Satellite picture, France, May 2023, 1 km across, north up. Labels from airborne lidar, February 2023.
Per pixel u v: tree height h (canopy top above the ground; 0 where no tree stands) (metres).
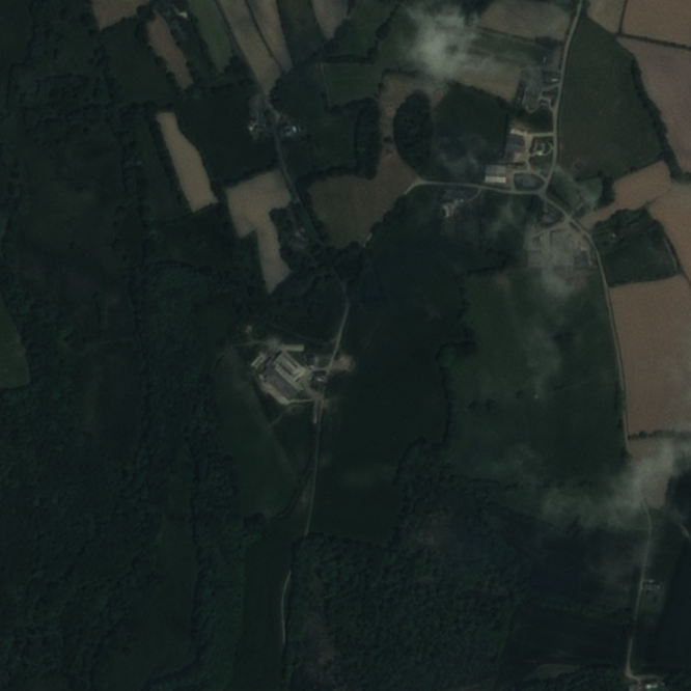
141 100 0
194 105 0
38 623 18
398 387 0
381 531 0
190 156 0
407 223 0
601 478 0
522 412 0
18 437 18
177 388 18
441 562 16
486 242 8
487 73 0
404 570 23
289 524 0
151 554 18
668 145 6
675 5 0
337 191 0
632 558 0
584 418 0
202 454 14
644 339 0
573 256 0
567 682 14
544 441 0
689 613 0
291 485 0
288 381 0
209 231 0
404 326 0
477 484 11
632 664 0
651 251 0
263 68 0
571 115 0
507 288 0
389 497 0
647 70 0
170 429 20
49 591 19
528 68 0
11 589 24
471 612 12
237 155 0
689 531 0
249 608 0
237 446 0
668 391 0
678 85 0
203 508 21
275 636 0
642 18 0
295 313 0
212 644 26
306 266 14
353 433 0
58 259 0
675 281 0
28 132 6
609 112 0
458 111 0
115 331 0
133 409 0
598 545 0
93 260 0
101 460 20
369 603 18
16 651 24
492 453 0
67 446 25
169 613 0
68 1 11
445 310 0
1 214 11
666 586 0
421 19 0
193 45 0
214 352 0
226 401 0
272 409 0
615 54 0
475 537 20
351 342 0
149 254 16
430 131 9
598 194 0
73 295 0
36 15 11
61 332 25
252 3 0
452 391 9
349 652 8
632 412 0
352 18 0
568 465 0
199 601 16
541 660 0
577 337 7
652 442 0
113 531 22
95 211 0
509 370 0
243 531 21
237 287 26
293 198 0
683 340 0
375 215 0
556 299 0
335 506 0
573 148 0
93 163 0
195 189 0
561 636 0
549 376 0
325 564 19
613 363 0
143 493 20
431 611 23
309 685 6
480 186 0
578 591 0
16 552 21
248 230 0
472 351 11
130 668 0
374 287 0
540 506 0
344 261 17
